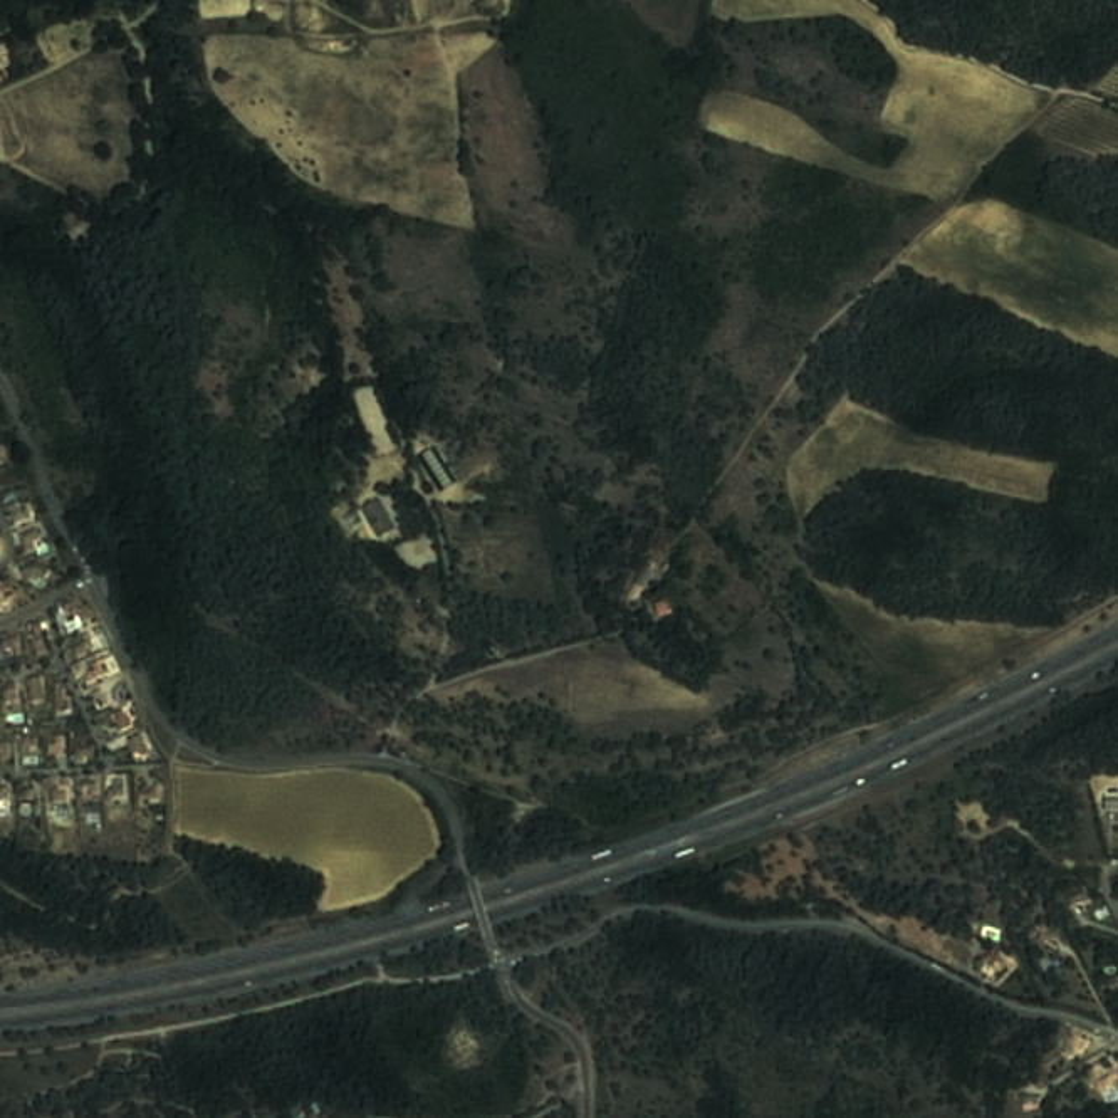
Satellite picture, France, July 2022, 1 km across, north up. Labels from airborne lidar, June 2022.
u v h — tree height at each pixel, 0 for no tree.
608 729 0
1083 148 0
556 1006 6
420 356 13
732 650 0
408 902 0
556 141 12
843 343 13
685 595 7
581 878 0
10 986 8
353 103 0
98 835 0
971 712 0
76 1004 0
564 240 0
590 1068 0
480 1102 8
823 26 13
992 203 0
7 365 8
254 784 0
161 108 18
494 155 0
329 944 0
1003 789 13
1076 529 7
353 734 7
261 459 6
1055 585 9
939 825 10
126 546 17
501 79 0
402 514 12
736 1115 10
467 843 10
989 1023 15
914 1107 7
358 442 11
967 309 8
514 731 11
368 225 7
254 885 16
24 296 7
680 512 8
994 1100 8
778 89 7
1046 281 0
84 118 0
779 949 9
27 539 0
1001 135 0
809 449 0
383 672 15
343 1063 11
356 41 0
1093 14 10
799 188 10
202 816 0
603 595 9
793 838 11
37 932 10
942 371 8
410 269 0
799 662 10
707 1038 11
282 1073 11
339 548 15
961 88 0
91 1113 9
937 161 0
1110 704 6
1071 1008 6
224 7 0
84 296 23
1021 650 0
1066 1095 9
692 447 12
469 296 0
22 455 21
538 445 13
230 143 9
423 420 13
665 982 6
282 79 0
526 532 0
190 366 10
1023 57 10
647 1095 0
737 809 0
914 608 11
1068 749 10
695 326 11
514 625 7
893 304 11
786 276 6
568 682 0
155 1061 11
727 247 9
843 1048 8
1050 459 8
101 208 13
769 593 7
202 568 13
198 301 11
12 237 16
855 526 6
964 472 0
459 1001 11
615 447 10
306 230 12
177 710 13
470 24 0
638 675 0
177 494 11
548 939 10
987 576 13
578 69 7
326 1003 12
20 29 13
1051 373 8
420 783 0
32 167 0
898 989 10
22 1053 10
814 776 0
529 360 10
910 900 16
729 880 12
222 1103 11
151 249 15
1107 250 0
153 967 0
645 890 16
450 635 9
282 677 10
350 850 0
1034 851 6
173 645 6
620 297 7
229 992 0
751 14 0
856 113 0
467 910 0
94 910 6
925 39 10
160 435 15
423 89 0
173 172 11
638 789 11
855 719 10
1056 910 17
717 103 0
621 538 6
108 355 21
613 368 7
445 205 0
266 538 11
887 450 0
